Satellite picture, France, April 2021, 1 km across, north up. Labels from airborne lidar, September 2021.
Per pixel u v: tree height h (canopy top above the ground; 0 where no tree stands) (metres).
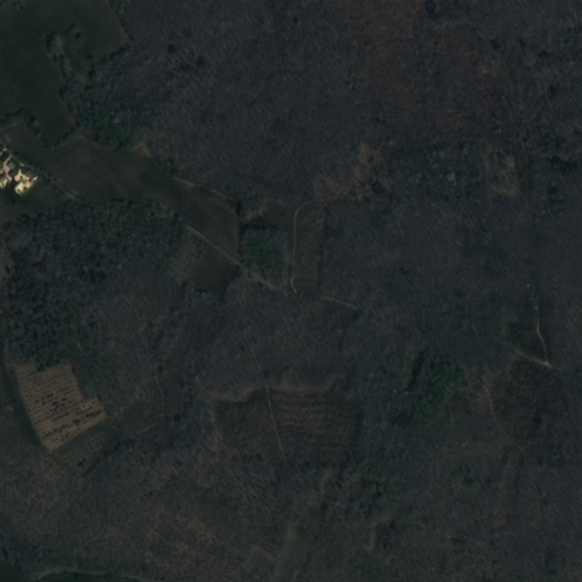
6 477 14
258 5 14
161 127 23
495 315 16
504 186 23
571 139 13
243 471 14
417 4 7
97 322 14
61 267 12
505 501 7
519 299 16
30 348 10
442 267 18
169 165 11
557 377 17
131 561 10
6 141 10
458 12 19
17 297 11
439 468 18
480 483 18
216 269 0
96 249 11
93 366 16
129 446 20
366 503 11
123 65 12
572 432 15
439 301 16
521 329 6
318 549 14
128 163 0
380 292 13
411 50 11
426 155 17
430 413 22
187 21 15
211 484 15
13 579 0
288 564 0
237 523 19
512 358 19
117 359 14
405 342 18
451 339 19
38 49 0
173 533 12
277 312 17
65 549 15
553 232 19
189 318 9
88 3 0
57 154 0
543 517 18
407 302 19
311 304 18
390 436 17
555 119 15
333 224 14
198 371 14
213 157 15
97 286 21
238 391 20
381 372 21
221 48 13
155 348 7
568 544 21
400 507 18
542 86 17
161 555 9
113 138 19
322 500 0
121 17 15
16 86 0
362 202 14
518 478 7
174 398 7
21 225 14
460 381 23
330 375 13
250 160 13
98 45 0
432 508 17
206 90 10
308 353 13
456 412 14
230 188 13
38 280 21
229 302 15
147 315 16
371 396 19
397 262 16
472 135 6
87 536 9
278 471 9
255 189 13
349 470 18
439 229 18
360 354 17
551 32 13
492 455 15
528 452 8
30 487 8
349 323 12
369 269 15
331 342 11
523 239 18
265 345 13
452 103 6
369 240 18
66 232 13
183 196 0
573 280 19
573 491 17
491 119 7
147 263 15
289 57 13
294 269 0
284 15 11
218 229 0
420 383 22
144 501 13
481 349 20
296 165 15
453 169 15
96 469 18
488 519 16
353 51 12
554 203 18
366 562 13
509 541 14
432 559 16
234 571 12
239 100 11
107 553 13
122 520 11
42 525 10
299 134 14
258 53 10
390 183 21
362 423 19
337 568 13
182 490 14
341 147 11
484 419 14
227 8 12
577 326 22
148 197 0
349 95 12
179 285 8
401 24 5
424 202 17
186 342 9
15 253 14
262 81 9
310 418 6
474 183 18
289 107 15
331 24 12
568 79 16
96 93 17
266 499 21
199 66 14
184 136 19
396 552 18
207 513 12
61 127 0
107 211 11
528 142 12
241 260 16
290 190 8
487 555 13
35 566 23
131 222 13
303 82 13
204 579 9
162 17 14
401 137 7
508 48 12
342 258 16
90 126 18
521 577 10
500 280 19
